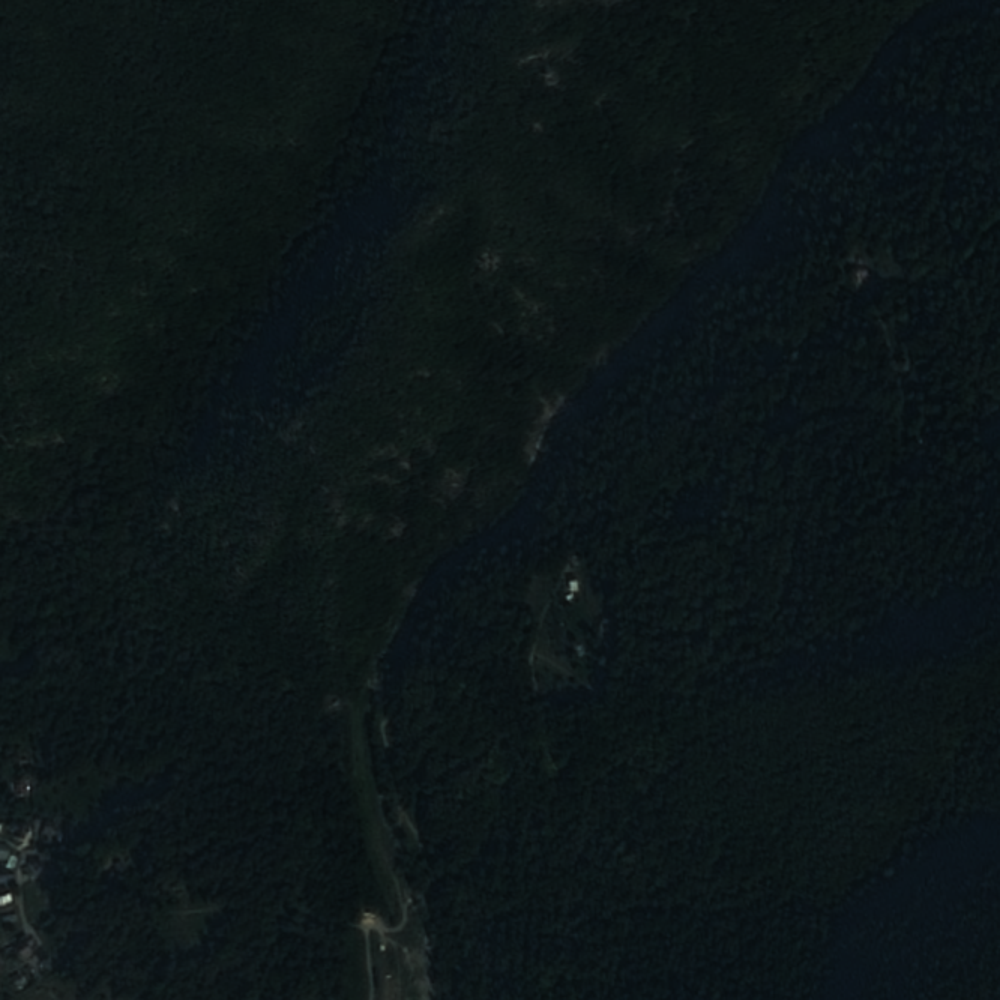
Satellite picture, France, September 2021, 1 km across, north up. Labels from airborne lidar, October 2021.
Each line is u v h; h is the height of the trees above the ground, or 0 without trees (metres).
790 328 31
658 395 30
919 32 18
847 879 24
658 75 21
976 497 20
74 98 21
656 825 25
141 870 28
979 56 33
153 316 13
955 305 27
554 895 17
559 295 19
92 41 22
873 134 27
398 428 11
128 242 22
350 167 28
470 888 16
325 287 18
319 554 12
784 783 26
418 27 22
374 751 14
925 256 14
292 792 26
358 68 23
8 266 14
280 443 9
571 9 19
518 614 19
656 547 16
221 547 9
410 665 24
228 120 19
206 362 24
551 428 8
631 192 30
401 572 12
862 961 17
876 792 18
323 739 26
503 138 21
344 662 14
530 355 29
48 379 16
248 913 19
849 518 36
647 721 26
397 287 17
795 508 28
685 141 13
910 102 27
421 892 14
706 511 8
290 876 23
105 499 26
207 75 20
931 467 18
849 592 26
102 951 22
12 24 18
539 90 14
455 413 12
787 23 30
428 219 8
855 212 27
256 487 16
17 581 23
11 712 24
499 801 19
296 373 21
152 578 17
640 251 17
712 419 24
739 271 11
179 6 19
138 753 23
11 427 15
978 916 18
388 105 27
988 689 30
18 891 14
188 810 30
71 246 20
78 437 23
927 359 10
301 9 25
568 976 20
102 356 14
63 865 22
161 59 23
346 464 9
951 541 31
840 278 13
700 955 20
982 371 25
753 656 24
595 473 27
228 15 20
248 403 11
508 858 20
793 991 22
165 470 17
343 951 25
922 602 29
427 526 11
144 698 27
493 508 20
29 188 20
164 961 7
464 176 20
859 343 26
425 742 24
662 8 32
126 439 20
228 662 21
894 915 22
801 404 28
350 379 16
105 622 24
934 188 26
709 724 18
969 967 18
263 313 20
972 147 33
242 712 24
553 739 24
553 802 26
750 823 22
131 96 26
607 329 24
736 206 19
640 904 18
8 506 11
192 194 17
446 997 10
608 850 17
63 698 21
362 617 18
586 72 23
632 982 20
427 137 9
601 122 29
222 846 20
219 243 22
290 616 10
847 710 26
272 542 13
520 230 15
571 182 20
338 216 22
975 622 29
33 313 20
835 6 30
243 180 25
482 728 22
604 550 22
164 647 22
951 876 16
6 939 0
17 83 22
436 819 11
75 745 23
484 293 25
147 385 27
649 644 24
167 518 12
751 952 25
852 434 31
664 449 29
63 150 26
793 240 8
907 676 17
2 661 0
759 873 26
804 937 20
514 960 20
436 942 13
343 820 26
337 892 25
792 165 12
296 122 20
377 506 20
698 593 25
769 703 18
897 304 10
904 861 30
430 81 16
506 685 28
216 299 18
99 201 27
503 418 24
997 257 19
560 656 6
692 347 35
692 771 19
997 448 30
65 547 25
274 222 23
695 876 19
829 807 15
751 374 29
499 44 11
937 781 20
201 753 22
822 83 17
